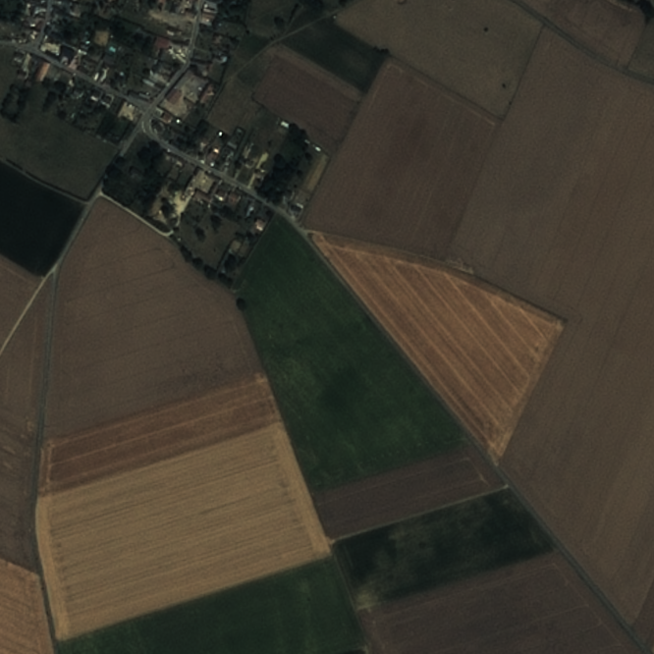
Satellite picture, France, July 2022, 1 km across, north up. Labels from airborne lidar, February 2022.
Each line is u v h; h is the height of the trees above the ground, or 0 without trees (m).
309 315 0
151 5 15
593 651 0
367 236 0
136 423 0
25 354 0
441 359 0
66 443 0
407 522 0
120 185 0
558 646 0
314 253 0
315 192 0
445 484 0
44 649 0
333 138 0
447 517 0
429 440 0
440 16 0
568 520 0
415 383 0
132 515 0
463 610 0
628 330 0
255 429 0
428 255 0
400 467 0
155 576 0
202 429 0
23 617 0
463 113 0
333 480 0
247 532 0
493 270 0
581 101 0
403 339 0
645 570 0
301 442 0
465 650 0
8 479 0
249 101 0
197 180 0
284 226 0
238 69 0
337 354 0
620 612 0
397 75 0
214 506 0
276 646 0
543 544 0
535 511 0
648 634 0
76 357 0
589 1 0
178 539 0
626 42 0
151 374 0
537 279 0
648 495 0
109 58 0
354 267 0
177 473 0
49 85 7
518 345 0
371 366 0
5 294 0
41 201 0
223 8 10
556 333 0
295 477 0
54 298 0
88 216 0
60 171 0
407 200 0
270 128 0
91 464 0
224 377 0
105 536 0
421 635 0
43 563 0
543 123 0
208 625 0
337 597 0
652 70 0
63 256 0
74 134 0
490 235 0
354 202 0
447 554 0
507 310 0
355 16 0
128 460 0
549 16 0
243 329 0
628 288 0
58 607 0
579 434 0
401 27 0
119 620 0
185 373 0
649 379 0
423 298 0
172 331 0
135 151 0
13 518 0
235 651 0
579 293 0
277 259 0
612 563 0
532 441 0
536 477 0
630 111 0
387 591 0
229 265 12
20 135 0
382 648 0
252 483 0
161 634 0
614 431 0
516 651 0
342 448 0
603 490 0
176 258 0
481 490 0
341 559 0
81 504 0
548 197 0
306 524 0
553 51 0
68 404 0
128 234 0
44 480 0
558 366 0
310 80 0
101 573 0
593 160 0
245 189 0
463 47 0
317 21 0
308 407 0
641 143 0
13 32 0
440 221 0
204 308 0
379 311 0
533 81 0
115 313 0
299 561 0
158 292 0
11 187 0
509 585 0
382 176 0
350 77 0
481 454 0
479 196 0
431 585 0
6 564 0
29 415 0
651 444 0
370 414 0
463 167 0
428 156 0
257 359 0
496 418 0
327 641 0
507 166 0
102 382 0
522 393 0
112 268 0
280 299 0
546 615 0
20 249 0
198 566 0
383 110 0
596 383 0
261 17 0
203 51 0
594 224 0
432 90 0
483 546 0
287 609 0
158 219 0
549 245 0
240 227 0
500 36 0
